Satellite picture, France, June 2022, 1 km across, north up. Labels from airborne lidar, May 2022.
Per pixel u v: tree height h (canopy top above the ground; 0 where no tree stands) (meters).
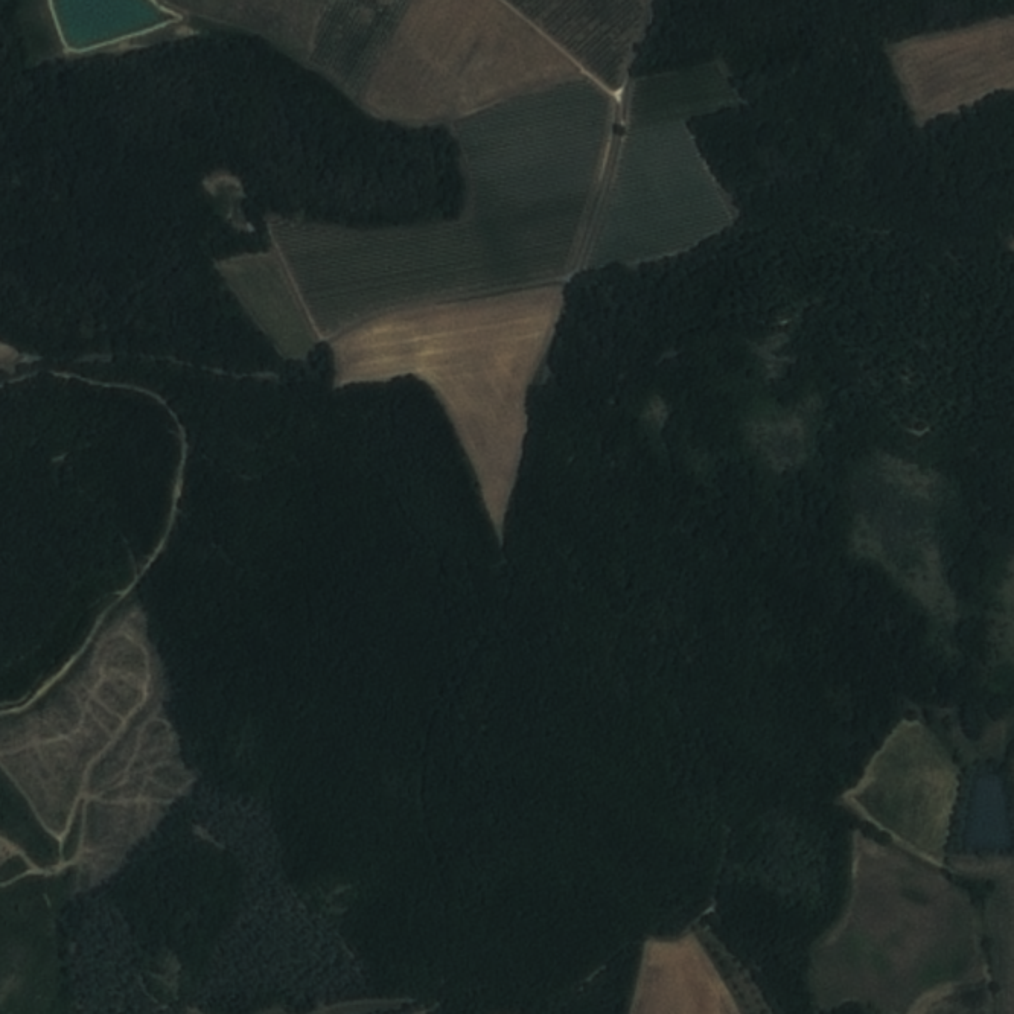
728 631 18
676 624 19
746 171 11
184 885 15
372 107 0
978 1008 0
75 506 15
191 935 14
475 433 0
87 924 26
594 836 14
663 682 16
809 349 18
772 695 16
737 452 12
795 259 14
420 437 20
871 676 10
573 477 17
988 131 17
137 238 20
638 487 19
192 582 9
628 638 19
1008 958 0
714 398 15
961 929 0
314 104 18
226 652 14
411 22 0
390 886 11
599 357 11
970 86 0
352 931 14
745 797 17
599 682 18
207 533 9
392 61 0
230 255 15
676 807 19
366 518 11
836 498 10
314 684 14
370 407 21
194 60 17
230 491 10
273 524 10
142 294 17
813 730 20
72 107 27
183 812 20
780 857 9
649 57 11
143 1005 13
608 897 17
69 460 9
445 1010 10
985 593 7
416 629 12
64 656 7
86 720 0
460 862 12
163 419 9
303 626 12
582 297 17
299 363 13
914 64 0
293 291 0
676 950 0
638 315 14
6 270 18
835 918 14
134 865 17
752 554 17
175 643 15
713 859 16
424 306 0
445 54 0
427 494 17
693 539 21
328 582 11
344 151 20
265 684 12
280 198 15
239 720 10
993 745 0
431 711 10
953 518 8
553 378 6
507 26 0
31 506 13
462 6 0
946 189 17
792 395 17
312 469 11
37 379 10
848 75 26
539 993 14
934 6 6
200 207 17
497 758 15
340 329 0
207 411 13
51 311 20
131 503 11
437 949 11
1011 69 0
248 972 18
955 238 15
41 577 14
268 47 14
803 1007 11
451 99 0
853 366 19
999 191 13
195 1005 15
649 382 16
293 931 15
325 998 16
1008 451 19
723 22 11
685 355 16
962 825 23
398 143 15
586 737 13
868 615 21
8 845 0
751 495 18
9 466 16
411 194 16
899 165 14
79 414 14
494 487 0
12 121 18
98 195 19
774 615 7
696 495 11
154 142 15
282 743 10
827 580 14
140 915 21
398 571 13
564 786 13
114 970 14
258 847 18
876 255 17
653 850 15
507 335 0
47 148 10
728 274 17
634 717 17
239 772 9
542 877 14
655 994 0
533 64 0
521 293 0
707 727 17
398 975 13
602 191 0
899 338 15
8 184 15
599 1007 8
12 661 15
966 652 7
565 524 17
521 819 17
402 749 11
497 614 14
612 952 13
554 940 13
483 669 15
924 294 14
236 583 10
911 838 0
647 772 15
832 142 10
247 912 19
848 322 21
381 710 16
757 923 16
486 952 15
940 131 16
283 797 10
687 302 18
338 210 13
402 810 9
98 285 18
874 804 0
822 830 12
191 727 18
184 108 20
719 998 0
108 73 14
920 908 0
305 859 12
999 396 24
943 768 0
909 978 0
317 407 15
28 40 8
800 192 17
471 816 15
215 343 14
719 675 16
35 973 0
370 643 13
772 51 10
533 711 13
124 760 0
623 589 18
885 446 14
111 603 0
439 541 16
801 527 18
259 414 13
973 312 14
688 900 13
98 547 18
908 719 13
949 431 17
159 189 21
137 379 12
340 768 13
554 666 15
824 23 21
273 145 15
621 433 21
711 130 15
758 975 13
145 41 0
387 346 0
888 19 13
